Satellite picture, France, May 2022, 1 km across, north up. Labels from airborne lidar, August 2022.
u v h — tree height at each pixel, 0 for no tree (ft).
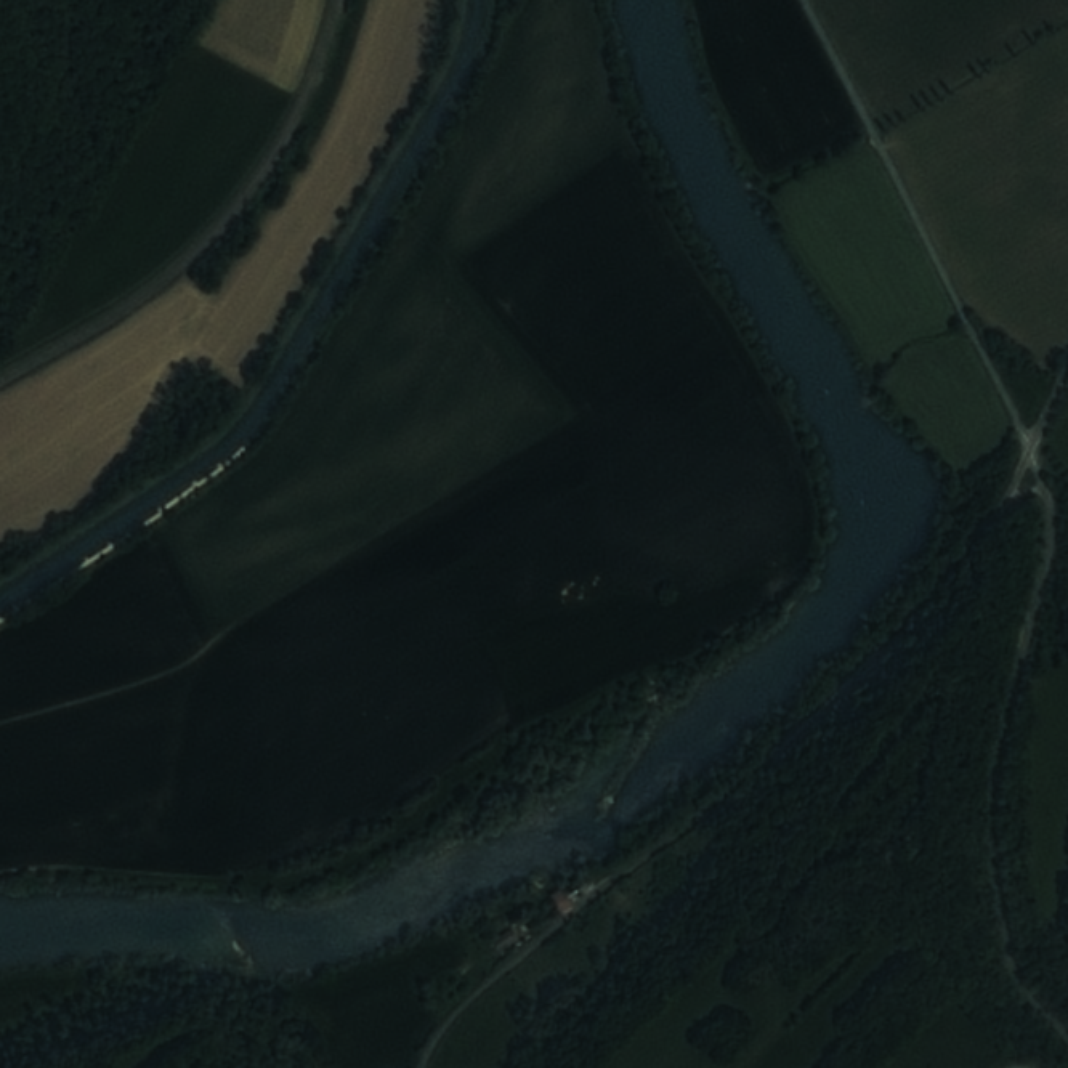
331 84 0
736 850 62
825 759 82
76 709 0
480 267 0
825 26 0
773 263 0
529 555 0
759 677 0
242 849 0
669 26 0
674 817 77
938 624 60
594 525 0
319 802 0
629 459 0
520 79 0
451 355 0
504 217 0
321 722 0
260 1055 54
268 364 54
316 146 0
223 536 0
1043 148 0
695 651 0
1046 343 0
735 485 0
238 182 0
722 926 86
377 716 0
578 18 0
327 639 0
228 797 0
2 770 0
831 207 0
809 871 53
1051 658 31
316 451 0
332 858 41
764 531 0
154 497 0
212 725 0
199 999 72
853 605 0
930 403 0
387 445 0
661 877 21
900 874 79
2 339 66
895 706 72
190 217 0
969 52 0
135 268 0
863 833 41
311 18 0
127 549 49
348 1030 0
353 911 0
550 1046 68
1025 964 69
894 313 0
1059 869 0
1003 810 68
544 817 0
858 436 0
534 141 0
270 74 0
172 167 0
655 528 0
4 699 0
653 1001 60
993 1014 53
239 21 0
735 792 84
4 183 57
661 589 43
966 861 68
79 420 0
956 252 0
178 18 94
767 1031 0
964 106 0
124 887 25
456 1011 0
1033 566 53
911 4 0
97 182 60
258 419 0
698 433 0
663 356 0
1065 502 50
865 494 0
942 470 68
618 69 68
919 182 0
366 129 0
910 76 0
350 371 0
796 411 18
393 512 0
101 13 66
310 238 0
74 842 0
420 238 0
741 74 0
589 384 0
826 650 0
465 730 0
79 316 0
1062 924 60
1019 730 80
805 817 81
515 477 0
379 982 0
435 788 49
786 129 0
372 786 0
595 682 0
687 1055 0
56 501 0
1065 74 0
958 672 59
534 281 0
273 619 0
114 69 65
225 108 0
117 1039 66
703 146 0
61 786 0
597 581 0
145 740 0
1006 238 0
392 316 0
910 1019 79
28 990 0
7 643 0
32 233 64
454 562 0
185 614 0
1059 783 0
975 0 0
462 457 0
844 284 0
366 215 0
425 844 28
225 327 0
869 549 0
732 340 0
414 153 0
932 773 67
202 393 92
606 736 44
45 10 52
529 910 69
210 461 0
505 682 0
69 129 60
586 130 0
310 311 0
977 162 0
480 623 0
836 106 0
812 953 73
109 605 0
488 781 26
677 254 0
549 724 30
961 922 66
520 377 0
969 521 60
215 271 64
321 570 0
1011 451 37
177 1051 71
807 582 65
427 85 47
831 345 0
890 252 0
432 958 0
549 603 0
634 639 0
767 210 81
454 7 60
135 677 0
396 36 0
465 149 0
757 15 0
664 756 0
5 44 57
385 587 0
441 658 0
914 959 78
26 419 0
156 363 0
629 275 0
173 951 0
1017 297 0
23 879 47
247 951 0
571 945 0
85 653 0
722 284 40
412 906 0
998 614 61
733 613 0
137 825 0
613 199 0
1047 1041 58
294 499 0
